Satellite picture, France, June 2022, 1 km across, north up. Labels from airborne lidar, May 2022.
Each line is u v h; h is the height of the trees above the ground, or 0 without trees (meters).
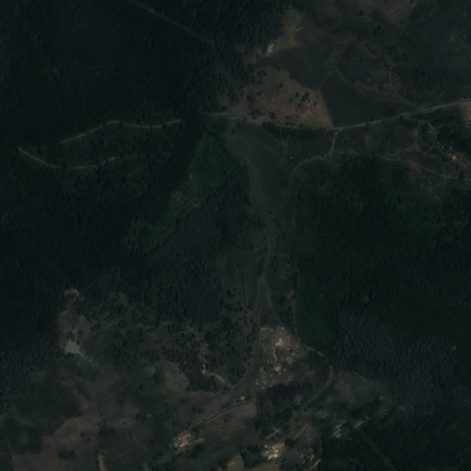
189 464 0
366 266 14
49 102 22
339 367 6
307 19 0
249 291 0
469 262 18
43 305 18
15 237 17
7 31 23
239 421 0
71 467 0
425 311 18
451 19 0
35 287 18
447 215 8
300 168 0
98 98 20
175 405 0
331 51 0
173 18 16
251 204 10
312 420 0
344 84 0
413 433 14
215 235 10
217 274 16
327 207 10
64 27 18
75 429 0
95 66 25
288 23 0
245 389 0
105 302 11
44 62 27
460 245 8
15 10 19
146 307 6
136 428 0
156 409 0
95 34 20
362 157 8
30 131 17
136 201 9
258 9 15
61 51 21
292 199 0
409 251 17
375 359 14
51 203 11
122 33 31
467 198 8
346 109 0
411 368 10
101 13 24
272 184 0
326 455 21
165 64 22
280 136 9
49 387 0
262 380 0
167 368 0
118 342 0
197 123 16
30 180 11
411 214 6
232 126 0
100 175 12
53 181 10
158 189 12
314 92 0
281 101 0
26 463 0
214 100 18
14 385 12
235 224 16
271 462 9
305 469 14
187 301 16
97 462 8
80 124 6
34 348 14
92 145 10
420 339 7
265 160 0
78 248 17
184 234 19
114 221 14
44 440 0
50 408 0
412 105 0
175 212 0
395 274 24
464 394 23
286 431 12
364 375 12
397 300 17
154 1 21
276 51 0
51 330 16
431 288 25
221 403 0
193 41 19
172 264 18
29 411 0
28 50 27
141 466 7
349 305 18
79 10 22
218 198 17
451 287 22
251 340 7
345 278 15
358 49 0
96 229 15
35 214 20
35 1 24
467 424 15
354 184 12
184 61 8
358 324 17
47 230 20
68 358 8
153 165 8
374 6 0
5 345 17
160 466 12
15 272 16
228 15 18
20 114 22
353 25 0
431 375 13
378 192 12
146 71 22
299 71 0
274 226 0
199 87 10
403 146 0
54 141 13
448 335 7
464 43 0
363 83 0
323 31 0
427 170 0
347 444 13
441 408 16
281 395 13
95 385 0
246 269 0
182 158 15
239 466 0
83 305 13
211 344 16
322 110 0
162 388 0
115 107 14
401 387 11
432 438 17
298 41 0
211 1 16
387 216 14
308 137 11
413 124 8
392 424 8
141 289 11
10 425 0
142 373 0
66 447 0
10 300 22
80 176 8
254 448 12
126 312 7
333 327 7
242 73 14
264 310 0
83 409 0
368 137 0
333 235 8
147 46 27
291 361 0
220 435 0
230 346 10
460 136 15
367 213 17
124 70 24
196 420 0
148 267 19
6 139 15
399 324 10
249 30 12
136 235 14
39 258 19
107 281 12
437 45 0
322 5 0
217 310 17
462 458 19
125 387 0
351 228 22
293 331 10
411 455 21
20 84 24
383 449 13
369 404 9
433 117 11
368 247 22
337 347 10
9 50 25
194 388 10
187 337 15
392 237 22
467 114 0
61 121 19
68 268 19
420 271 17
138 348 11
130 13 23
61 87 21
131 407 0
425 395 17
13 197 12
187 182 8
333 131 6
